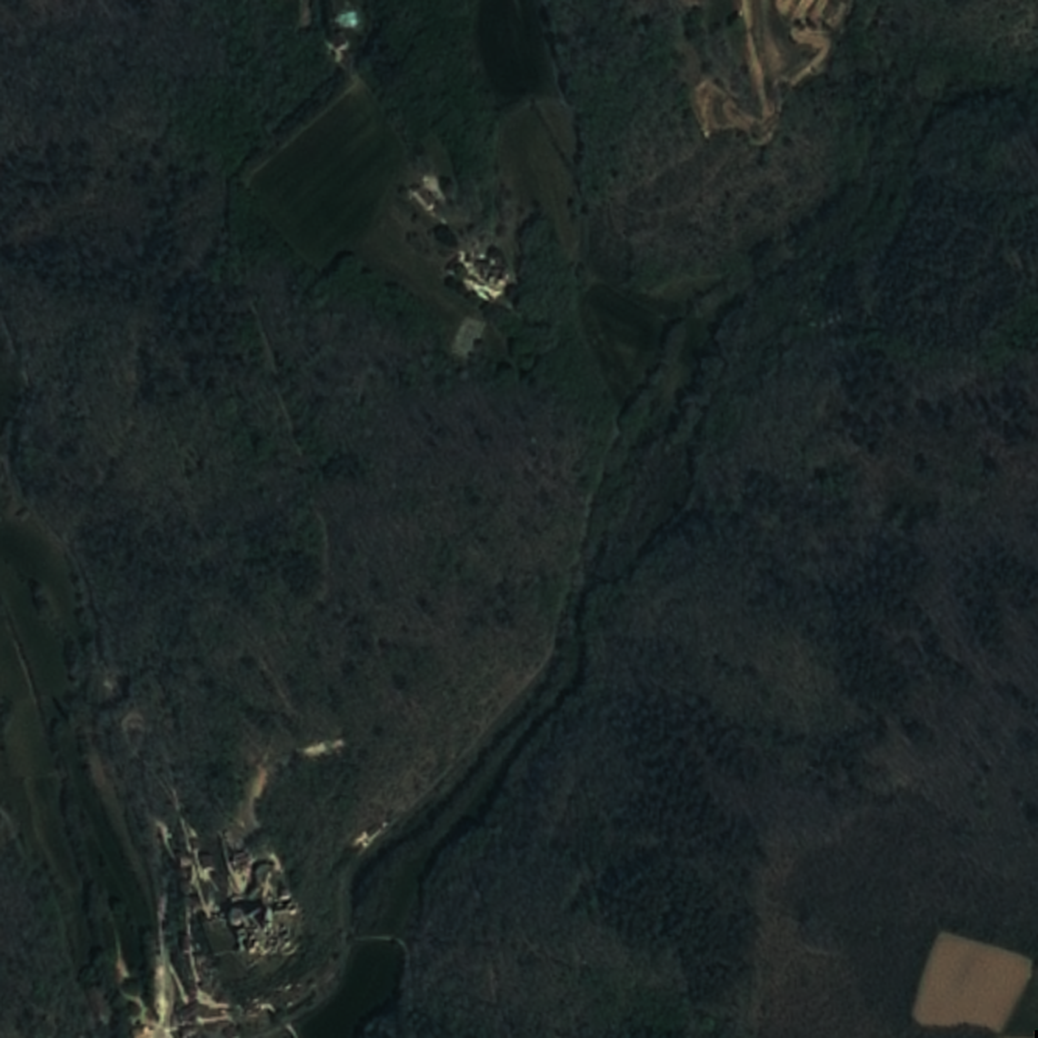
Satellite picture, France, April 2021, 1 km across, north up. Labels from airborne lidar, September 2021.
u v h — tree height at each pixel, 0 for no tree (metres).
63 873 0
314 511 12
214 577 20
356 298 16
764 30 0
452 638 13
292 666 15
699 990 25
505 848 11
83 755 12
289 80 15
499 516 21
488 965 8
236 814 11
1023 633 12
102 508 20
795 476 19
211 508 15
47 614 20
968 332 16
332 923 14
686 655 17
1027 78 17
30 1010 18
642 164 9
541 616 15
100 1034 16
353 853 6
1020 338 21
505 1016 19
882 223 18
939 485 18
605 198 8
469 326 0
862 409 26
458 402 18
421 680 14
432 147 0
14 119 7
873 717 24
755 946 19
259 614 20
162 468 17
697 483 14
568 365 19
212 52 15
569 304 28
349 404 18
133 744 15
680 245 17
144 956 10
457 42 16
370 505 14
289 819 18
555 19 24
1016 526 16
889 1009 9
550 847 7
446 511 13
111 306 13
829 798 19
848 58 9
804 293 32
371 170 0
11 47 16
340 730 15
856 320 13
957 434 20
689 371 0
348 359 14
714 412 24
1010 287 15
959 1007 0
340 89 16
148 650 6
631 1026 16
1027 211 16
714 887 20
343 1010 0
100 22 15
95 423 7
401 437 15
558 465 23
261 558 15
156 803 22
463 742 14
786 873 6
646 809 20
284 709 15
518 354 19
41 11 17
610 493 8
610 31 19
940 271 15
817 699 11
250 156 16
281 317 14
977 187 12
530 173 0
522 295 10
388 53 21
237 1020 15
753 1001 17
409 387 20
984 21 11
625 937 20
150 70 15
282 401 14
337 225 0
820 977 7
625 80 17
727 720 24
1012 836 13
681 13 20
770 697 17
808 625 19
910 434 24
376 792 14
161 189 20
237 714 17
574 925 19
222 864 0
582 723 12
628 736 17
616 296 0
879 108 14
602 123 19
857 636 24
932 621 20
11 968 23
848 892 6
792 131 15
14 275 23
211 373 22
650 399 17
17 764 0
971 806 13
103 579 18
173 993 0
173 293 10
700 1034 15
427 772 13
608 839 9
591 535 13
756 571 23
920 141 10
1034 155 17
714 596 16
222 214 10
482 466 15
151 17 18
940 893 10
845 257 18
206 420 16
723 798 18
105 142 11
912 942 9
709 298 14
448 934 7
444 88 15
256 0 16
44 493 18
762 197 18
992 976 0
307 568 23
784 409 16
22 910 24
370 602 15
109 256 13
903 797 8
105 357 8
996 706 16
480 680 14
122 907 13
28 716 0
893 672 26
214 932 0
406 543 15
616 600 21
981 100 14
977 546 20
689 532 28
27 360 24
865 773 16
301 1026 0
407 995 14
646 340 0
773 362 19
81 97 11
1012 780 15
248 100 16
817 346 18
